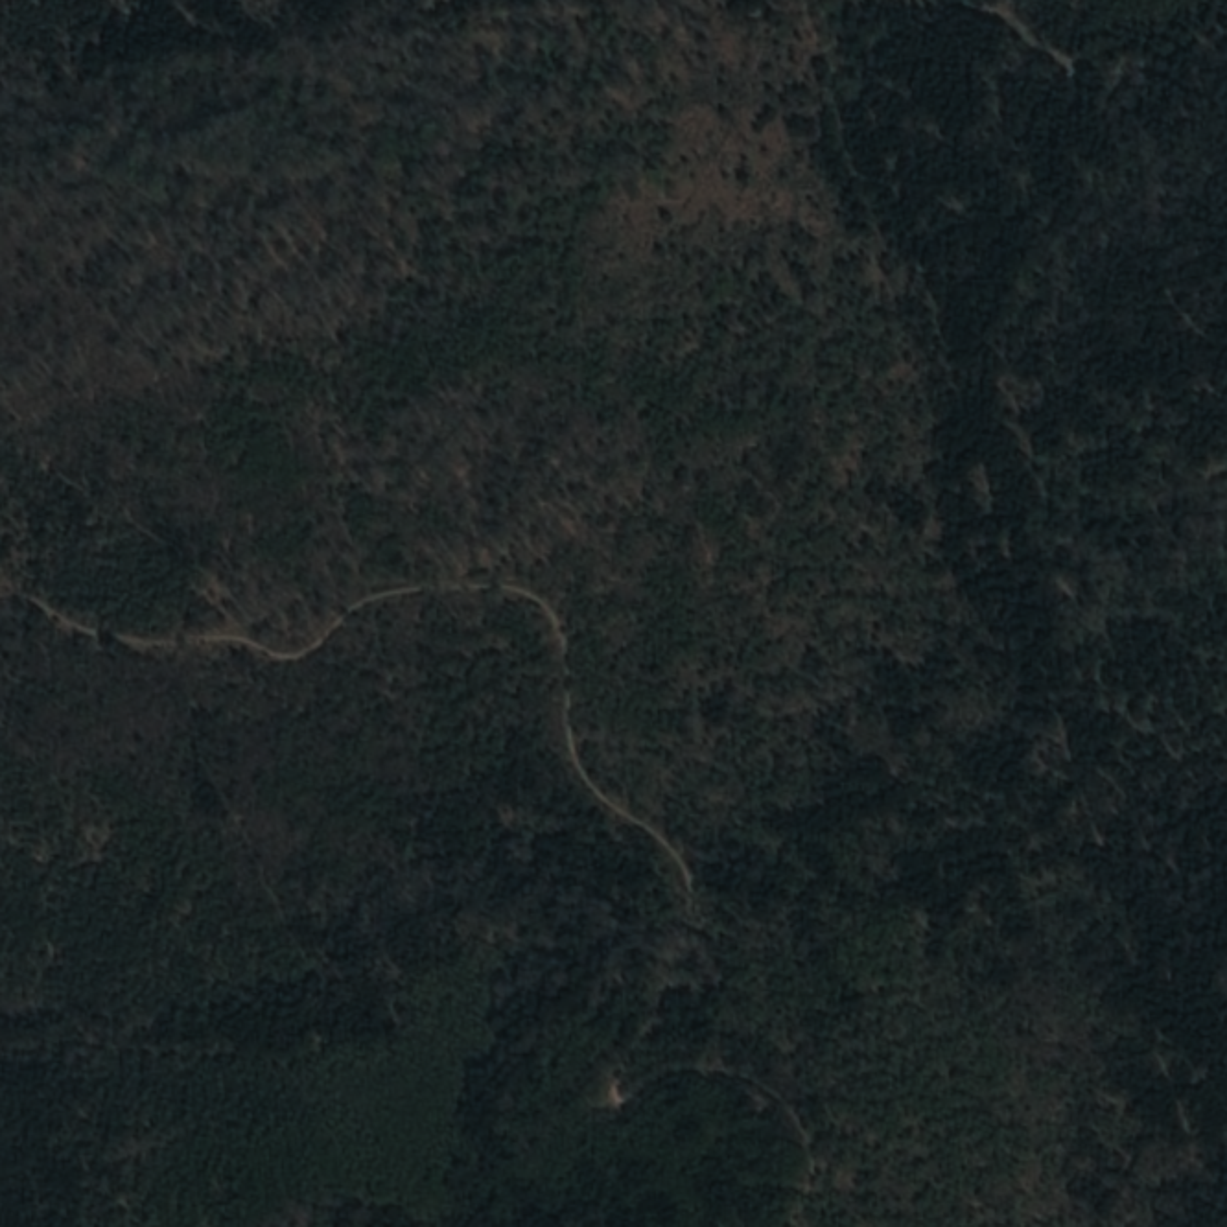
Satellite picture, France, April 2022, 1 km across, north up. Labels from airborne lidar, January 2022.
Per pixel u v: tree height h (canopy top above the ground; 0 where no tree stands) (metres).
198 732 8
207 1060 9
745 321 14
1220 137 19
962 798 16
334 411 9
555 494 19
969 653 7
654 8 31
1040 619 19
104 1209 10
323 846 12
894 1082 16
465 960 14
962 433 17
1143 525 19
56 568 10
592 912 30
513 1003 29
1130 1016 10
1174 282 23
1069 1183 13
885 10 11
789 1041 7
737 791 9
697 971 16
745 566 8
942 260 21
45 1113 9
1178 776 13
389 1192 14
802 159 8
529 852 27
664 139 17
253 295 27
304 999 17
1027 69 13
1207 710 14
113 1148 11
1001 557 15
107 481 13
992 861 13
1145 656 13
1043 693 15
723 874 15
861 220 15
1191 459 17
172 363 26
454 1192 19
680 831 10
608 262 6
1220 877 13
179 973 11
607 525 13
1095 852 16
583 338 13
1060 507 13
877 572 8
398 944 24
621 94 30
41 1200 9
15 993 12
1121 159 24
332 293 30
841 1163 8
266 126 19
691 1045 12
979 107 24
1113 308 25
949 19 20
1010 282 22
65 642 10
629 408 10
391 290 12
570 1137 15
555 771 13
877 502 13
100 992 11
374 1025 24
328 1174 13
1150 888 14
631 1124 12
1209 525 17
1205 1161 12
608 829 16
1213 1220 13
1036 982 8
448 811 12
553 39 29
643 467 21
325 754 11
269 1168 11
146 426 14
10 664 16
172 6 15
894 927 14
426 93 29
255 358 9
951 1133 9
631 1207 12
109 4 10
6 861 10
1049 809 17
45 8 11
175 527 12
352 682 10
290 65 27
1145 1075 11
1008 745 14
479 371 15
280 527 13
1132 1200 7
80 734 9
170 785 10
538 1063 14
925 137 19
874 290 7
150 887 9
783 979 11
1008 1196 8
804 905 11
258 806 8
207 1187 10
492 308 11
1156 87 25
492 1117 21
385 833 10
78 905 9
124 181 28
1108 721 18
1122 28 10
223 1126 10
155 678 10
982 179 24
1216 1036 18
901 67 24
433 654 12
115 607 14
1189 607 20
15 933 11
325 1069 18
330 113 28
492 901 25
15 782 7
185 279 28
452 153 33
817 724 9
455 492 12
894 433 14
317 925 10
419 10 24
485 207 28
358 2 21
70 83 12
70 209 27
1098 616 22
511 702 12
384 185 31
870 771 15
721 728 11
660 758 13
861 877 13
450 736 13
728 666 10
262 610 20
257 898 11
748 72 11
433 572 11
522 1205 15
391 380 10
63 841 8
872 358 11
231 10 19
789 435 12
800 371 7
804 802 10
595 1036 16
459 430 23
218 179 31
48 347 14
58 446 9
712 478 10
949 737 13
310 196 14
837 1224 13
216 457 12
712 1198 10
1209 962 17
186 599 12
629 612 9
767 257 13
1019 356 17
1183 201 27
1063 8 17
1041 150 25
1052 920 9
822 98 7
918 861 18
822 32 9
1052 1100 11
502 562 24
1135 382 21
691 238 11
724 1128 13
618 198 16
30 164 19
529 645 14
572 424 11
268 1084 12
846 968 11
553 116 31
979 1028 14
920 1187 15
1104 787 12
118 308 14
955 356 8
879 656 13
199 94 12
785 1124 11
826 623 13
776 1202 13
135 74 22
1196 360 17
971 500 13
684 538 10
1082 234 27
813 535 9
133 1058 10
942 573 13
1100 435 18
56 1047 7
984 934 12
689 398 13
